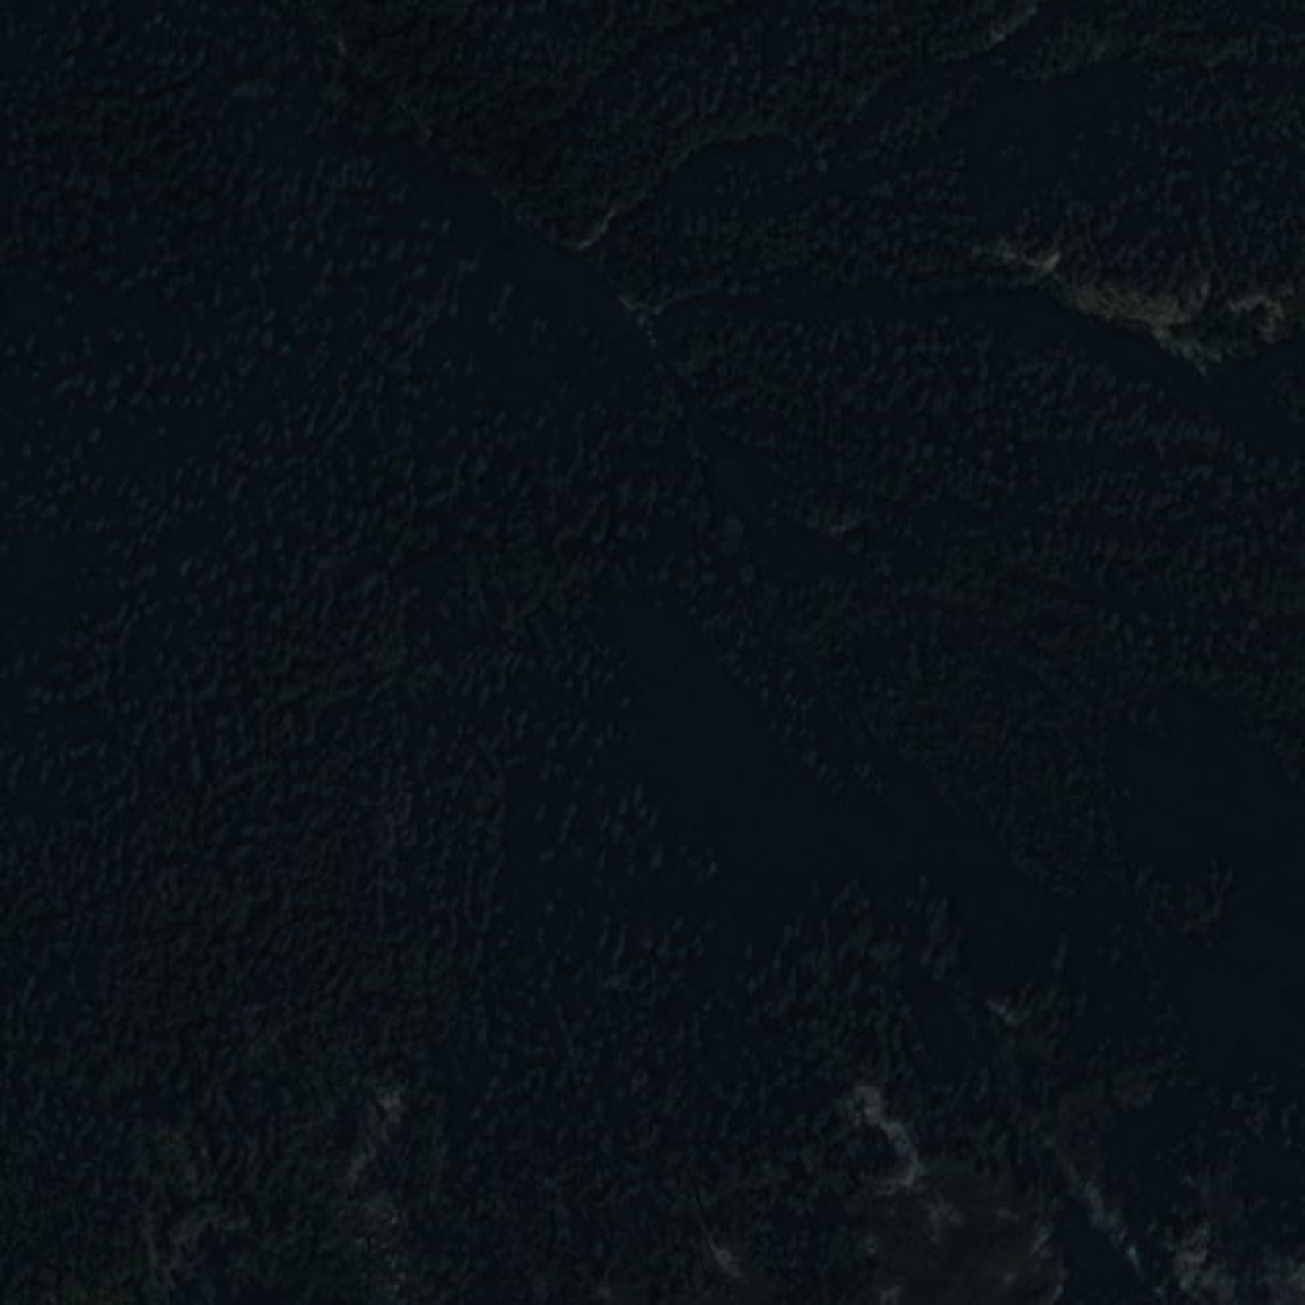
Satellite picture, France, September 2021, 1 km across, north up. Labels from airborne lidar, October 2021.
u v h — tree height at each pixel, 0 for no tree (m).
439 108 16
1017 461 9
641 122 22
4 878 20
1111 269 34
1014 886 6
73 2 21
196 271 15
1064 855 7
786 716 36
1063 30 9
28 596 10
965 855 7
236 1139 9
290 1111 7
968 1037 0
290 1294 6
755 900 11
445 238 15
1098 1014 8
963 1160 8
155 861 21
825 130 10
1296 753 6
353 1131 6
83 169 20
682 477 10
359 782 21
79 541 39
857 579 8
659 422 8
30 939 14
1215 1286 0
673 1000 8
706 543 12
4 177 23
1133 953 6
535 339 25
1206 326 15
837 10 26
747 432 13
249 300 19
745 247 26
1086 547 31
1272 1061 7
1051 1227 0
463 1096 9
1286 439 11
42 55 24
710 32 16
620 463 22
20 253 15
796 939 9
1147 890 7
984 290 16
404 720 9
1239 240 21
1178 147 6
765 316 12
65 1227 8
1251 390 11
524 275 18
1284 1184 0
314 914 26
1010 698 6
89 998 15
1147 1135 6
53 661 8
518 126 19
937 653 6
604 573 10
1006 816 7
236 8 34
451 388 23
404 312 17
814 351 38
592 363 14
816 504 9
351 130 20
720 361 17
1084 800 9
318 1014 27
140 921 31
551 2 17
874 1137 0
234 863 30
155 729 21
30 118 20
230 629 18
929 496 14
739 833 12
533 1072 11
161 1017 27
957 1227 0
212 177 20
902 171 7
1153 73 7
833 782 36
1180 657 8
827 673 6
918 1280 0
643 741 10
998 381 11
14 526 34
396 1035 8
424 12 23
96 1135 12
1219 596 10
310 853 32
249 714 31
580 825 8
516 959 7
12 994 10
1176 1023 5
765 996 25
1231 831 7
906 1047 21
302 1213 9
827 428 23
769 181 23
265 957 11
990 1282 0
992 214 9
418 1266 7
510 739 33
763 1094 7
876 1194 0
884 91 12
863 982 25
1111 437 32
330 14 16
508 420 9
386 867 7
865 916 12
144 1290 10
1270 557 6
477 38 22
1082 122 11
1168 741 7
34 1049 19
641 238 20
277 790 25
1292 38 8
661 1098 23
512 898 12
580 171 17
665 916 14
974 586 11
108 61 20
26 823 9
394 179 13
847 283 14
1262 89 6
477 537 19
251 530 26
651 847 7
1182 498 6
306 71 17
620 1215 0
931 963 9
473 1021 9
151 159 19
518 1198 11
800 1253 15
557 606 10
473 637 10
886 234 33
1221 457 21
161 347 7
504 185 10
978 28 8
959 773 7
